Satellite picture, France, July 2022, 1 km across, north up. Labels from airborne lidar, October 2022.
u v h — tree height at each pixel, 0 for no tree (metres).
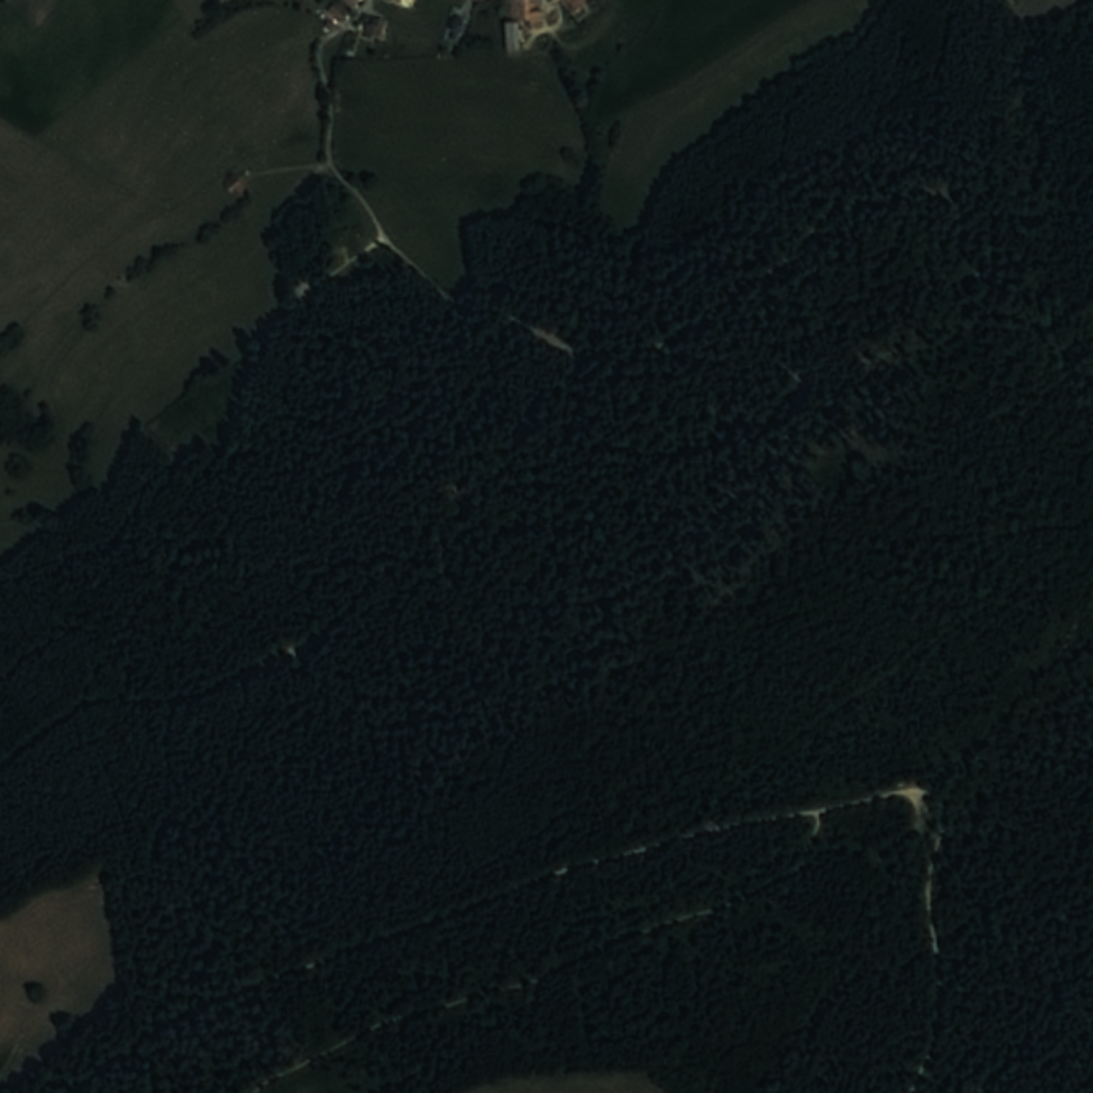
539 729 21
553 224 16
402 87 0
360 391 28
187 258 0
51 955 0
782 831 14
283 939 33
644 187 0
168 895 36
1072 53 18
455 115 0
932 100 13
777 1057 10
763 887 9
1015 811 24
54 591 17
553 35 0
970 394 8
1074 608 6
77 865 24
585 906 14
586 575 36
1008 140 25
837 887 21
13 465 6
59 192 0
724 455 33
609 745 20
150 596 20
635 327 33
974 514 9
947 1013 26
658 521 23
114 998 15
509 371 29
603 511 26
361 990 11
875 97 23
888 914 15
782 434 38
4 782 18
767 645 11
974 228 32
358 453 22
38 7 0
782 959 7
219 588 15
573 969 15
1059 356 25
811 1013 12
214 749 29
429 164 0
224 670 30
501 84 0
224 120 0
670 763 12
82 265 0
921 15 19
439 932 11
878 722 8
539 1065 12
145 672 27
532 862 15
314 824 28
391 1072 9
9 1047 0
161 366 0
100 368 0
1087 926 27
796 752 7
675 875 12
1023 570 8
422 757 28
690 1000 13
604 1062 11
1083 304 7
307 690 33
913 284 20
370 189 13
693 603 13
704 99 0
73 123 0
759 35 0
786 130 17
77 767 20
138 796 26
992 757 33
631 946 15
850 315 28
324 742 27
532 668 37
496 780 17
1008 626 12
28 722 17
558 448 32
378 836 32
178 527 18
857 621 8
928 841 13
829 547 15
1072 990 30
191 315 0
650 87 0
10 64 0
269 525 23
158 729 30
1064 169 12
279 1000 16
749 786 10
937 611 13
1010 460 7
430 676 35
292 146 0
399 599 31
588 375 21
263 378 32
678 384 28
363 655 31
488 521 30
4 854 22
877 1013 27
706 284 28
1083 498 10
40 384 0
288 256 21
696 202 21
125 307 0
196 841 33
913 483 18
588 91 8
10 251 0
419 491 29
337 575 30
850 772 10
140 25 0
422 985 16
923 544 11
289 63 0
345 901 29
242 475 25
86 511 19
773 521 40
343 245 0
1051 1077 24
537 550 35
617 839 12
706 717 8
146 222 0
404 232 0
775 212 26
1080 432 10
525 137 0
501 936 14
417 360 26
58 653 16
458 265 0
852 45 14
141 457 18
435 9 0
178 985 32
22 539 0
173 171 0
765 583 6
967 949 8
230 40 0
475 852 17
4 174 0
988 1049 28
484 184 0
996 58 24
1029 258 25
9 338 9
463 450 29
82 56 0
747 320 30
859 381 14
